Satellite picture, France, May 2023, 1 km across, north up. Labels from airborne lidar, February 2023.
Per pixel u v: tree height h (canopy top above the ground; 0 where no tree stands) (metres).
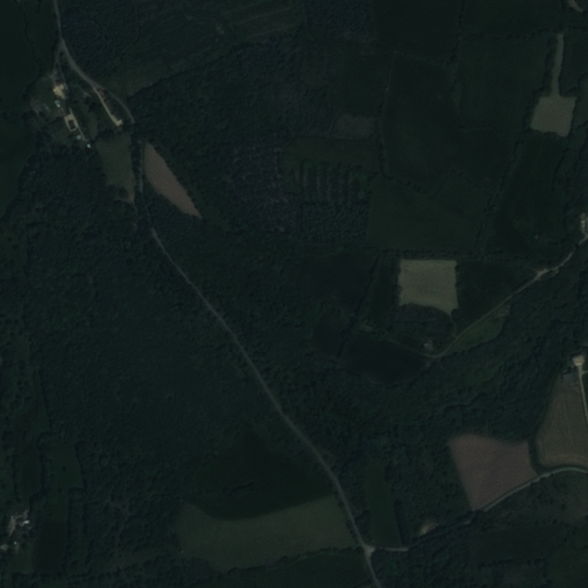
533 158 0
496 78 0
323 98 8
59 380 19
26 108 0
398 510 21
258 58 25
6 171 0
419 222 0
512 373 15
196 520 0
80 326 13
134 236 18
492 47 0
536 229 0
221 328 9
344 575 0
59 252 21
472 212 0
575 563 0
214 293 9
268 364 13
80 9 7
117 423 16
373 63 0
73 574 8
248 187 13
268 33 0
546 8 0
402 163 0
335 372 15
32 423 0
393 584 9
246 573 9
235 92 11
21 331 9
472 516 11
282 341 17
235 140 9
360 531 11
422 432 18
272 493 0
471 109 0
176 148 15
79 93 7
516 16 0
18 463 13
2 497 0
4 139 0
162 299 20
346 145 0
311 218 19
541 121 0
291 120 7
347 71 0
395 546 0
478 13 0
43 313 21
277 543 0
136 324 14
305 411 7
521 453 0
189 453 12
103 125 6
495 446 0
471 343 0
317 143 0
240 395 15
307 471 0
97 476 17
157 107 14
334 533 0
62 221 21
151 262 12
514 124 0
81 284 15
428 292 0
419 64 0
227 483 0
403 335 0
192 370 14
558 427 0
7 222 22
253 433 0
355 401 16
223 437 7
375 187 0
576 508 0
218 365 16
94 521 18
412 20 0
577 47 0
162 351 11
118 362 15
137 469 14
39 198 12
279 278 7
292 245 12
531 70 0
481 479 0
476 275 0
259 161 12
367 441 23
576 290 6
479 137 0
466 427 8
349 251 14
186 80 10
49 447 10
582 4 9
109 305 15
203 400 12
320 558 0
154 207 18
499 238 0
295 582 0
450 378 15
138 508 11
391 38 0
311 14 19
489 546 0
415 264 0
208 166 13
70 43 19
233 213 13
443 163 0
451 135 0
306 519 0
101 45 21
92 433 13
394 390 12
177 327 17
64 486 0
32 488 0
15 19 0
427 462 0
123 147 0
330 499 0
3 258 18
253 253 10
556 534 0
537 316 7
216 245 12
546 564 10
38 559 0
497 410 15
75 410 15
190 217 10
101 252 18
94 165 15
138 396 12
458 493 9
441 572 18
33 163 20
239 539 0
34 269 18
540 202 0
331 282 0
